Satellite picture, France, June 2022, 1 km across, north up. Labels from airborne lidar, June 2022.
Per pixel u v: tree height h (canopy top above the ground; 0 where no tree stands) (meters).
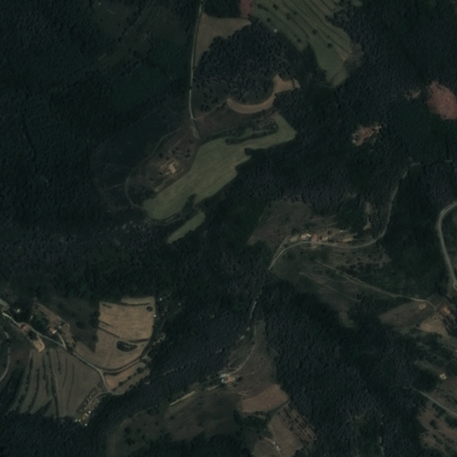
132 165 0
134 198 0
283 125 0
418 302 0
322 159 12
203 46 0
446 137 15
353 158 17
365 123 22
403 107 20
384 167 15
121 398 8
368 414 11
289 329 22
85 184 9
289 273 0
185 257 9
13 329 0
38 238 13
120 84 6
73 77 7
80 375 0
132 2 9
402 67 19
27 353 0
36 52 14
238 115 0
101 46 21
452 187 10
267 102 0
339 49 0
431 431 0
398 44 15
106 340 0
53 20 15
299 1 0
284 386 10
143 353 0
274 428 0
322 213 11
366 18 11
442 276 8
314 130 20
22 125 6
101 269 14
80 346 0
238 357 0
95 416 7
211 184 0
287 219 9
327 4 0
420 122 22
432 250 5
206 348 17
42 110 20
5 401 9
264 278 14
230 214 11
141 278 10
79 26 18
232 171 0
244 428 9
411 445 18
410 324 0
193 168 0
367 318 8
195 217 0
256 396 0
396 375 16
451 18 20
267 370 0
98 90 8
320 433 17
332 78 0
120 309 0
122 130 6
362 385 19
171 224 0
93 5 14
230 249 8
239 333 15
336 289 0
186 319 14
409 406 23
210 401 0
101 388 0
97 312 9
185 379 20
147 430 0
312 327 19
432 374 7
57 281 11
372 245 0
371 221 14
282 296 12
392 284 0
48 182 7
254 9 0
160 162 0
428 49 21
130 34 0
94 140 8
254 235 0
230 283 16
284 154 12
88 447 18
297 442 0
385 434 21
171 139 0
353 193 16
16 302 7
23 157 12
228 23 0
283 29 0
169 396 7
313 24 0
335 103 22
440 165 19
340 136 14
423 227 7
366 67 7
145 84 6
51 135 21
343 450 11
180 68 6
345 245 0
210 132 0
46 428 8
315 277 0
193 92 0
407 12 13
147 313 0
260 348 0
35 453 6
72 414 0
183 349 15
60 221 7
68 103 10
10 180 14
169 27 0
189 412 0
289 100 14
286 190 18
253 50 10
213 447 21
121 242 0
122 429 0
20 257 9
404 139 26
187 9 10
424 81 12
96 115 15
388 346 8
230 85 8
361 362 11
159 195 0
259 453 0
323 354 18
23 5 20
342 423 19
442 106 0
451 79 13
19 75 16
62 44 14
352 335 8
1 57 17
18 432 13
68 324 0
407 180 14
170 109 0
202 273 13
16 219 11
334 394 14
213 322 19
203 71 9
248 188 16
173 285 11
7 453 28
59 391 0
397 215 9
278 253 0
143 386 16
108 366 0
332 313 10
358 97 22
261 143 0
